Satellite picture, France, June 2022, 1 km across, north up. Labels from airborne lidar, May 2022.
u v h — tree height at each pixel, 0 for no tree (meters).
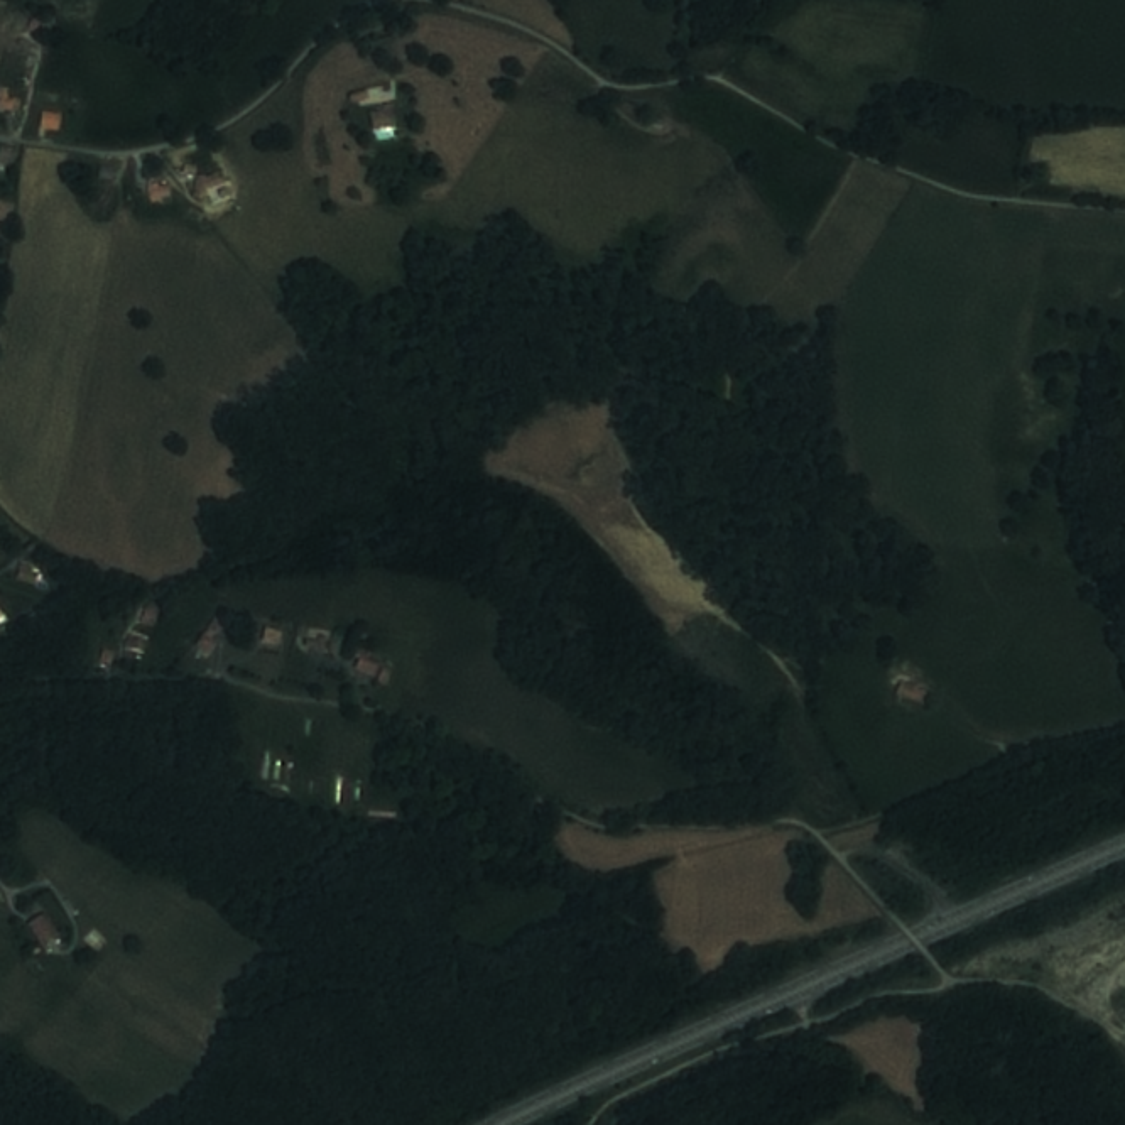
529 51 0
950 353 0
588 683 15
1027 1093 9
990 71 0
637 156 0
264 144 12
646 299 24
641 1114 20
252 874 23
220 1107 20
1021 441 0
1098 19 0
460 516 14
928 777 0
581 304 32
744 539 30
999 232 0
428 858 20
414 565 17
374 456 24
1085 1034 6
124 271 0
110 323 0
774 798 21
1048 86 0
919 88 17
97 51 0
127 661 9
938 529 0
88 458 0
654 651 22
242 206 0
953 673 0
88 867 0
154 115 0
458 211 0
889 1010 14
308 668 0
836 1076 20
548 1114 0
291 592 0
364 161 7
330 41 10
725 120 0
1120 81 0
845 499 24
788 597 22
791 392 18
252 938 7
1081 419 9
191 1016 0
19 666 15
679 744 8
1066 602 0
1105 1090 10
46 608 15
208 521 20
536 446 0
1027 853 9
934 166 0
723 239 0
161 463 0
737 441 25
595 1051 11
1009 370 0
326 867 24
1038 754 16
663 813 15
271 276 0
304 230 0
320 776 0
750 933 0
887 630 0
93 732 19
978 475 0
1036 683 0
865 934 8
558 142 0
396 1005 19
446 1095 28
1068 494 24
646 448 23
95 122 0
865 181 0
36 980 0
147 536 0
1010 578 0
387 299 18
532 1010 21
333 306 24
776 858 0
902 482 0
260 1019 17
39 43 10
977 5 0
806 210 0
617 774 0
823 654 22
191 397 0
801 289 0
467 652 0
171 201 0
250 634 17
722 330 23
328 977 20
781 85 0
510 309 24
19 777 21
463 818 22
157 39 18
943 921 0
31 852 0
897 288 0
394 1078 25
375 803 0
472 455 27
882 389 0
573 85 0
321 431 25
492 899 0
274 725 0
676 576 0
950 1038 15
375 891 25
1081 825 8
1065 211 0
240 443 23
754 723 17
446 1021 22
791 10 0
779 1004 0
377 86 0
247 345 0
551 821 23
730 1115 20
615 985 21
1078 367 14
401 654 0
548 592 13
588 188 0
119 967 0
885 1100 0
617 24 0
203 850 22
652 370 26
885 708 0
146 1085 0
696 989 17
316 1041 21
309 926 21
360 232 0
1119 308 0
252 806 25
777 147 0
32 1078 16
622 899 22
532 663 24
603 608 20
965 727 0
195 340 0
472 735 0
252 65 0
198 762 22
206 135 19
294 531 21
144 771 26
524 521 20
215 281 0
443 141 0
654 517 26
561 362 23
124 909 0
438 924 22
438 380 25
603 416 0
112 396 0
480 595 16
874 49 0
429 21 0
